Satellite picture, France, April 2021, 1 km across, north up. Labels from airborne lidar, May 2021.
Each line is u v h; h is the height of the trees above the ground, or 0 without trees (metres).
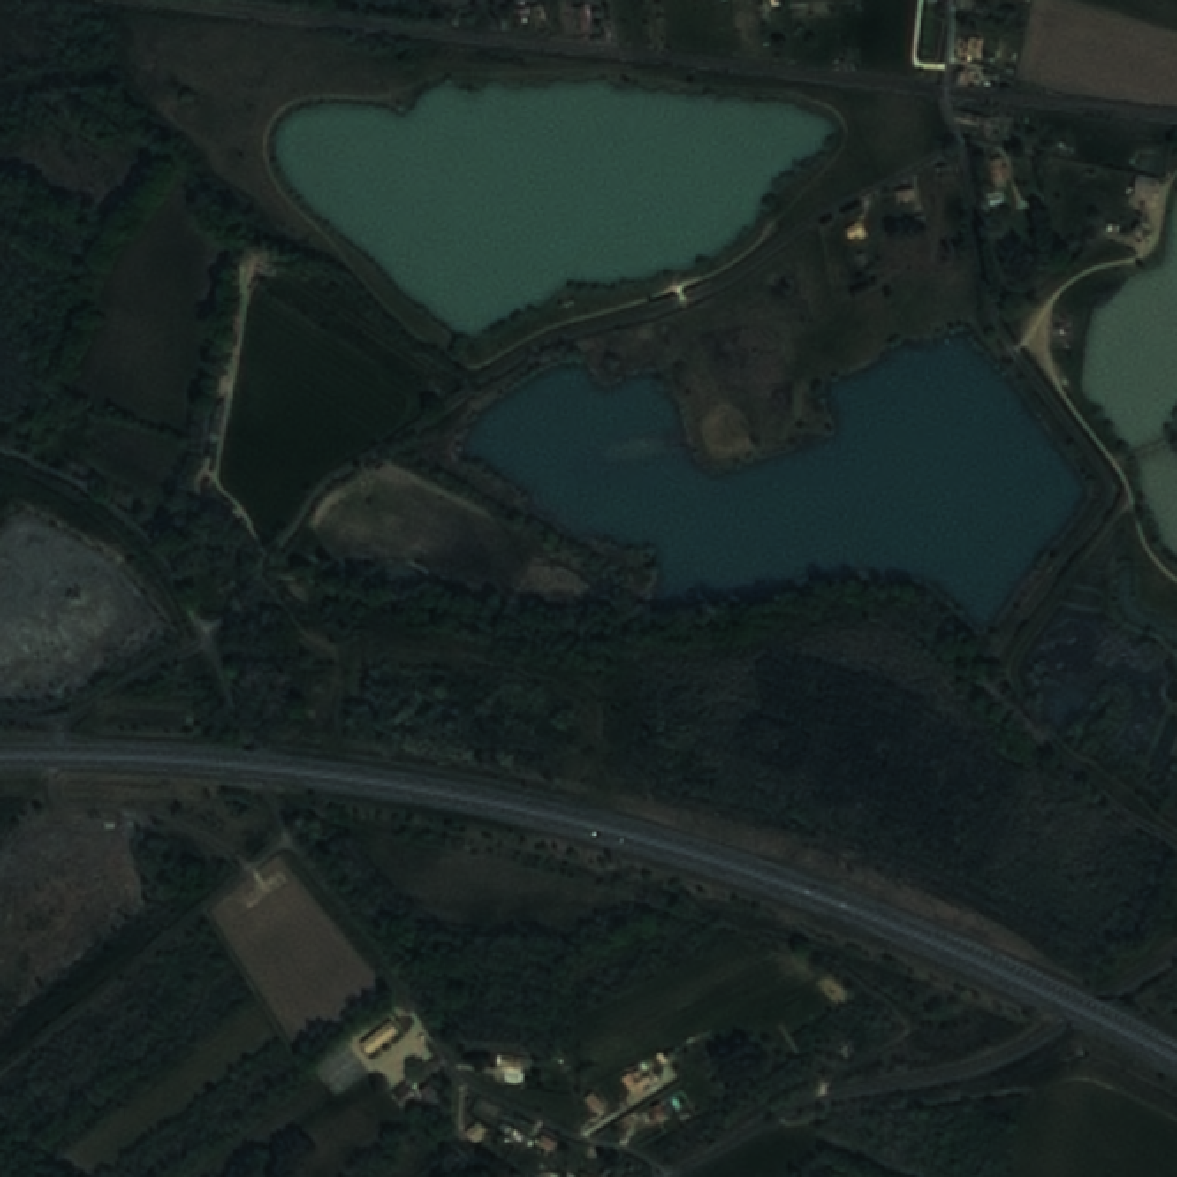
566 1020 16
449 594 16
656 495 0
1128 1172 0
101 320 16
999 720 14
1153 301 0
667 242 0
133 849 6
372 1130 0
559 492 0
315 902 0
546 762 11
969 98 0
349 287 12
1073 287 0
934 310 0
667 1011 0
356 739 10
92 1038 8
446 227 0
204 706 11
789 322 0
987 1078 0
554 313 0
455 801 0
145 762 0
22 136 6
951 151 14
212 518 24
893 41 0
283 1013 0
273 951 0
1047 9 0
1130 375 0
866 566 0
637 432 0
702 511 0
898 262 0
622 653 10
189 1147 8
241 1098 10
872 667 6
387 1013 15
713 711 7
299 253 17
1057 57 0
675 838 0
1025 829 6
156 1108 0
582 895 0
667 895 11
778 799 12
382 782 0
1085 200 0
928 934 0
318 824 16
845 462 0
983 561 0
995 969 0
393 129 0
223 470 0
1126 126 0
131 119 18
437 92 0
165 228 0
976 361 0
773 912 6
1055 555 8
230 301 20
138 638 0
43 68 14
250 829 0
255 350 0
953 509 0
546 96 0
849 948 7
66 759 0
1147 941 23
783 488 0
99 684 11
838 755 11
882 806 11
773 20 0
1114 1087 0
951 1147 11
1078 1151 0
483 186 0
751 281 0
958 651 17
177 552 18
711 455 0
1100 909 12
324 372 0
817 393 10
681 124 0
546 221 0
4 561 0
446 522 0
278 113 0
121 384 0
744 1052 17
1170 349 0
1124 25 0
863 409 0
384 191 0
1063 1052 0
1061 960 10
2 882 0
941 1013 15
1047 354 0
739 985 0
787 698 10
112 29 12
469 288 0
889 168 0
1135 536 0
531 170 0
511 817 0
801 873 0
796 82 0
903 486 0
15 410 21
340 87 0
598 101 0
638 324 0
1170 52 0
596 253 0
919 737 10
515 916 0
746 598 12
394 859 0
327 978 0
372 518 0
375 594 20
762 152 0
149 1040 10
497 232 0
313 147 0
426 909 8
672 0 0
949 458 0
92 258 22
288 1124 0
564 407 0
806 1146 0
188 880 17
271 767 0
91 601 0
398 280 0
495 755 13
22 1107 13
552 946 18
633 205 0
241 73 0
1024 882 9
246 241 22
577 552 9
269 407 0
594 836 0
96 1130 11
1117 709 13
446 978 21
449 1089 20
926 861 12
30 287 15
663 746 15
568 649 12
